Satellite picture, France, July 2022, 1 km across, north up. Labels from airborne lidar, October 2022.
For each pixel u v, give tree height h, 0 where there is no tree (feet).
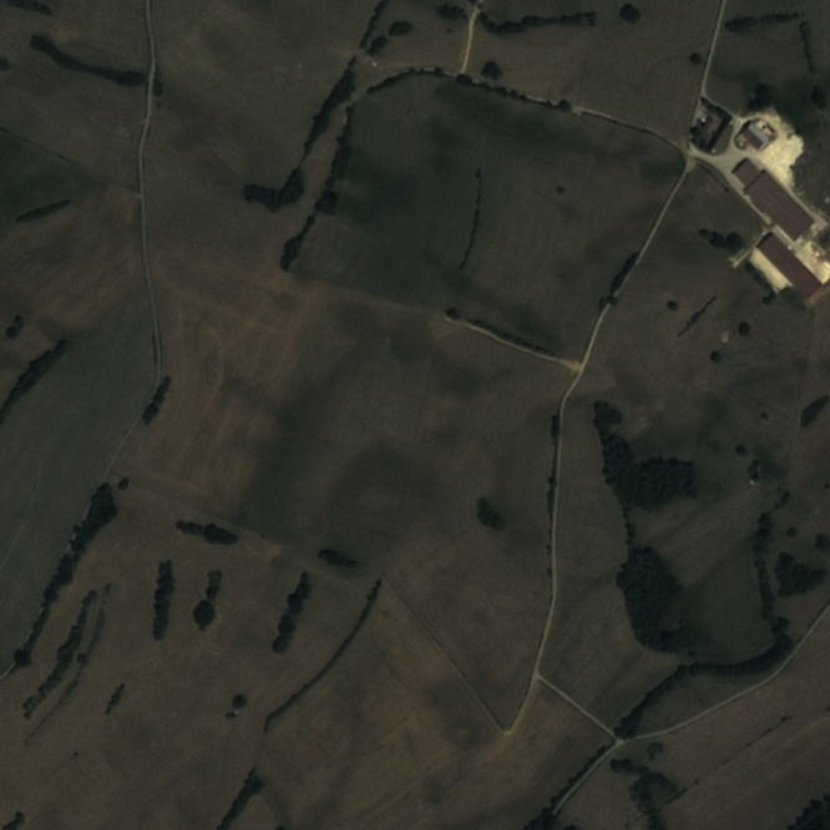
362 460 0
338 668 0
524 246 0
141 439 0
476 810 0
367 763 0
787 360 0
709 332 0
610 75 0
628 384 0
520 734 0
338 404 0
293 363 0
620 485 24
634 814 0
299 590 20
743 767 0
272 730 0
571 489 0
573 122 0
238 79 0
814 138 0
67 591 0
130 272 0
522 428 0
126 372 0
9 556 0
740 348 0
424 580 0
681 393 0
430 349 0
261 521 0
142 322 0
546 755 0
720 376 0
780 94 0
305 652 0
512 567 0
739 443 0
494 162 0
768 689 0
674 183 0
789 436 0
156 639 20
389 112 0
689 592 0
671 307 36
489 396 0
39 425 0
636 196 0
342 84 21
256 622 0
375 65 0
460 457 0
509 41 0
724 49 0
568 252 0
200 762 0
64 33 0
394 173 0
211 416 0
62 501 0
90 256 0
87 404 0
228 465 0
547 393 0
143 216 0
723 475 0
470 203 0
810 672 0
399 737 0
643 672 0
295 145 0
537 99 0
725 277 0
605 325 0
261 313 0
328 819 0
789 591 40
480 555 0
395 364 0
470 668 0
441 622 0
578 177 0
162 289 0
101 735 0
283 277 0
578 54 0
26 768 0
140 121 0
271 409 0
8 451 0
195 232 0
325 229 0
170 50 0
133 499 0
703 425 0
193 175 0
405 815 0
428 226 0
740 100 0
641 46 0
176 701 0
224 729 0
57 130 0
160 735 0
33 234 0
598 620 0
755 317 0
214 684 0
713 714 0
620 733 50
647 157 0
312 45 0
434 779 0
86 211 0
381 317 0
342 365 0
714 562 0
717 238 45
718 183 0
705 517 0
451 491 0
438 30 0
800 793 0
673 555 0
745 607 0
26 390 34
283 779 0
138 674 0
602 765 0
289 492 0
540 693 0
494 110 0
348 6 0
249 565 0
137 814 0
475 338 0
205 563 0
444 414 0
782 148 0
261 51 0
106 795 0
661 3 0
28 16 0
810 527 0
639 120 0
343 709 0
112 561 0
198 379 0
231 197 0
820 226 0
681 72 0
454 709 0
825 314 0
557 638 0
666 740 0
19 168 0
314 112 0
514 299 0
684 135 0
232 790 0
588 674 0
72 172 0
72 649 24
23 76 0
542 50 0
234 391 0
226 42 0
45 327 0
